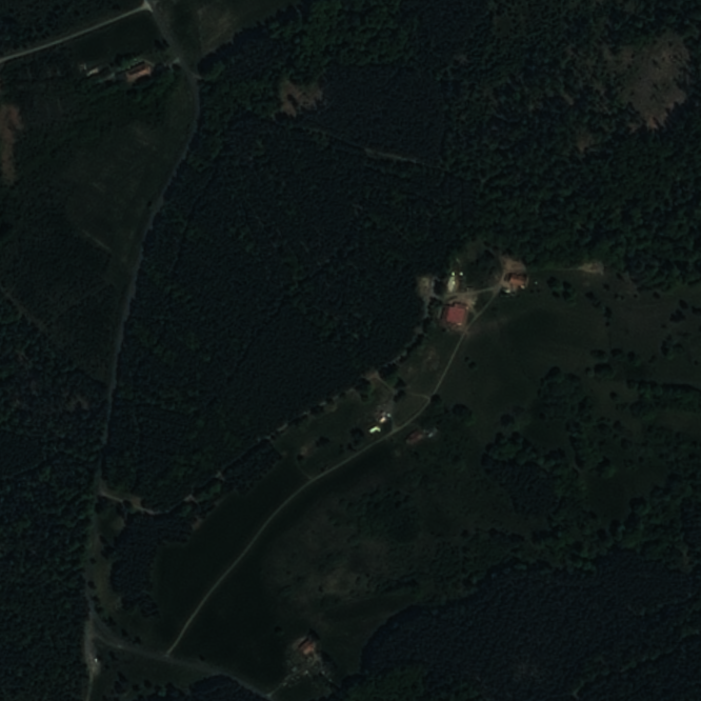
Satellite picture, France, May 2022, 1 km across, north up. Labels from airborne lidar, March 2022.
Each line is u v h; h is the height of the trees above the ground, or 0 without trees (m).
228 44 0
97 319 6
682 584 22
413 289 18
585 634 23
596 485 0
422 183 15
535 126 24
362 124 17
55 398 24
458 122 7
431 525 0
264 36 25
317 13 28
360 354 18
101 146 0
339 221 17
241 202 14
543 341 0
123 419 15
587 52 24
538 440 0
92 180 0
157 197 0
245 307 16
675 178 25
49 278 6
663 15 26
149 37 0
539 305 0
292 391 16
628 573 26
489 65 6
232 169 13
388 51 22
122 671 0
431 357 0
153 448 13
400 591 17
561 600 25
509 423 19
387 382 14
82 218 0
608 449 9
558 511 17
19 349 23
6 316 21
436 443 0
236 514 0
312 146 17
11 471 14
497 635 27
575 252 27
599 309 16
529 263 23
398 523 6
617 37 23
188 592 0
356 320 16
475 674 23
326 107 15
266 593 0
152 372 11
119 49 0
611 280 0
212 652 0
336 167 16
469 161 10
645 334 0
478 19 16
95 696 0
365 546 0
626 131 26
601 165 25
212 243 11
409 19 21
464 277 0
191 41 0
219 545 0
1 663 14
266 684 0
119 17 0
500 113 19
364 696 25
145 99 14
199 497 17
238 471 14
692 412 13
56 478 12
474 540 6
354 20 26
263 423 11
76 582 16
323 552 0
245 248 12
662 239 23
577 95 15
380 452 0
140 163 0
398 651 25
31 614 15
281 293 16
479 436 0
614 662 23
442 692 28
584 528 20
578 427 25
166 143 0
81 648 11
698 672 18
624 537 27
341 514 0
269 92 22
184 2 0
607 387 0
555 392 17
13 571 23
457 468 13
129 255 0
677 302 0
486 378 0
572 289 14
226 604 0
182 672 0
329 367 15
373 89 22
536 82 24
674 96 0
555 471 19
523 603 23
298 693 0
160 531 18
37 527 29
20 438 11
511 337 0
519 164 19
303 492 0
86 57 0
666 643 24
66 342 7
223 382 17
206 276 12
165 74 25
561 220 23
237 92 22
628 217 32
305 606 0
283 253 17
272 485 0
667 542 17
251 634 0
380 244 16
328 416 0
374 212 17
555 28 8
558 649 22
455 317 0
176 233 17
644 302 0
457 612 21
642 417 17
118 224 0
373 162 11
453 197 18
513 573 27
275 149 17
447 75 12
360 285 15
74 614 11
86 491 13
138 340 16
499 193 16
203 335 16
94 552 0
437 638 21
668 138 29
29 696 7
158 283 11
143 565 19
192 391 14
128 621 0
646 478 0
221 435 10
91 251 7
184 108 0
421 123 20
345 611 0
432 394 0
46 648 17
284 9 0
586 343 0
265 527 0
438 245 18
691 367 0
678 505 13
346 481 0
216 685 21
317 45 27
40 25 7
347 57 21
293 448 0
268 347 15
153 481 12
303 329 16
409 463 0
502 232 25
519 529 0
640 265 25
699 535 24
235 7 0
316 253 18
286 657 0
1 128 0
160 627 0
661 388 15
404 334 17
